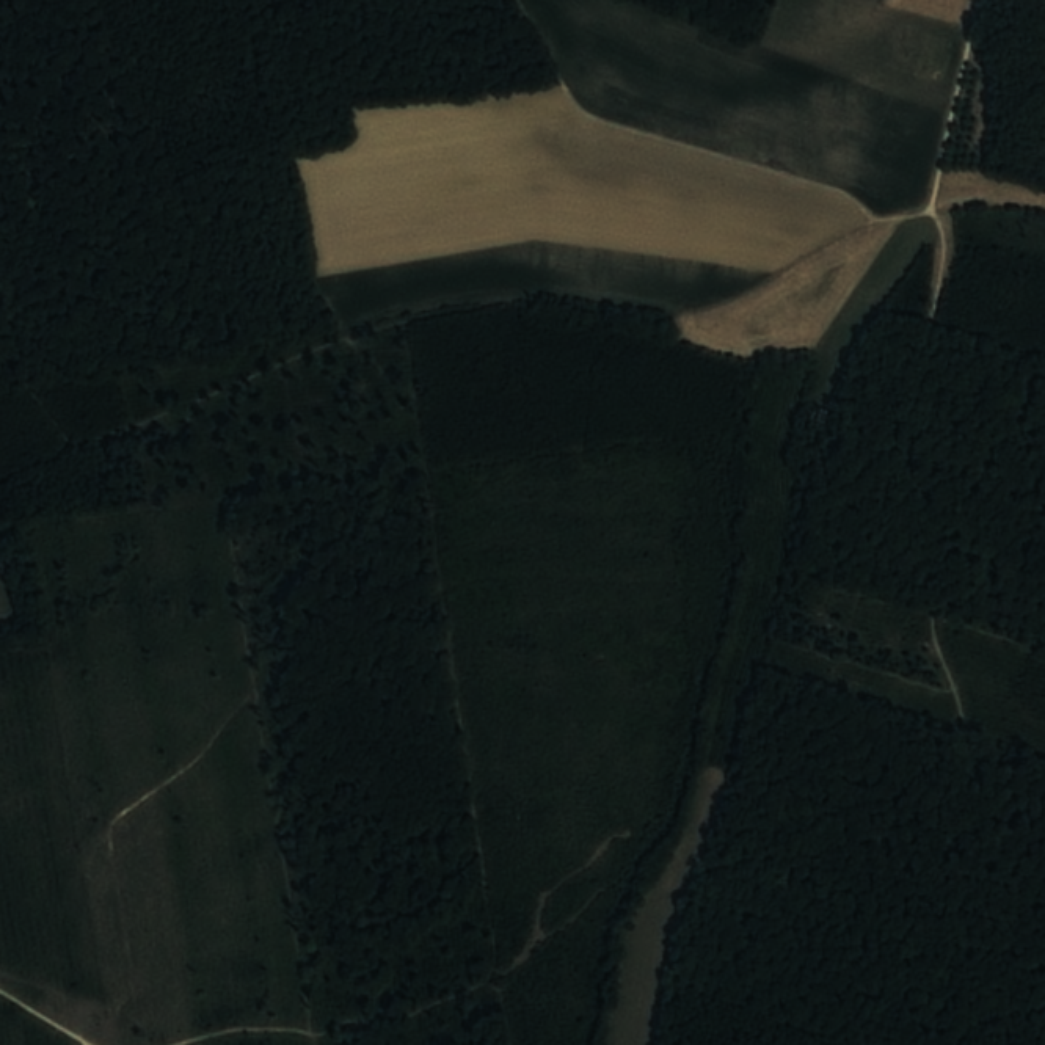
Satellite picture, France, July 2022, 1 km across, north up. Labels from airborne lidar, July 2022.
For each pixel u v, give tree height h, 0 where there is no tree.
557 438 6
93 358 27
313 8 26
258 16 19
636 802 0
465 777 28
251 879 0
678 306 0
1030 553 28
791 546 13
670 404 10
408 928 24
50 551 0
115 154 30
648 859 19
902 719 24
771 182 0
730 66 0
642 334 25
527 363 8
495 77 28
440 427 7
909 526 23
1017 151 21
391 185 0
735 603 24
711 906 23
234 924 0
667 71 0
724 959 24
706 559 6
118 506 26
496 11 25
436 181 0
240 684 0
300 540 26
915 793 27
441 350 7
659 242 0
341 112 26
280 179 29
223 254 27
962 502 24
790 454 17
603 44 0
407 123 0
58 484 20
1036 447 23
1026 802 29
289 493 28
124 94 30
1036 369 24
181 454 27
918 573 25
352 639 26
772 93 0
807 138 0
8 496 21
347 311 0
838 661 15
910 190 0
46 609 23
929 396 24
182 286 25
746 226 0
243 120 22
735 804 25
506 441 7
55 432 13
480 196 0
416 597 27
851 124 0
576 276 0
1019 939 28
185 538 0
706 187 0
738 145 0
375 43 27
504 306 7
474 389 9
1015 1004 31
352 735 28
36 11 25
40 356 28
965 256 8
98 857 0
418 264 0
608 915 6
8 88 30
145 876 0
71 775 0
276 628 28
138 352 29
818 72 0
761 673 21
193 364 29
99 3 11
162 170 24
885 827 27
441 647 24
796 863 23
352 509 22
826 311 0
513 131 0
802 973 25
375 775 25
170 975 0
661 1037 21
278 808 13
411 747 27
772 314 0
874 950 27
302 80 25
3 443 14
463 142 0
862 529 23
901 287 10
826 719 29
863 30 0
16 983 0
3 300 28
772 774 24
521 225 0
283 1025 0
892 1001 19
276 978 0
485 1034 24
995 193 0
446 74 26
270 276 30
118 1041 0
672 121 0
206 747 0
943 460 23
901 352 25
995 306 8
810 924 26
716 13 31
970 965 27
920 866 27
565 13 0
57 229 30
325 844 22
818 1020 25
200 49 18
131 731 0
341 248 0
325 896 27
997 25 25
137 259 28
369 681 23
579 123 0
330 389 0
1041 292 8
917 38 0
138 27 16
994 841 27
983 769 28
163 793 0
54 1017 0
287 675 28
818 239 0
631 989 0
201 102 15
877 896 27
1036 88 19
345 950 27
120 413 10
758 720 24
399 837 25
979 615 28
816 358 7
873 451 24
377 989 19
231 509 19
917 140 0
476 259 0
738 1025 23
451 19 28
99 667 0
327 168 0
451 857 25
